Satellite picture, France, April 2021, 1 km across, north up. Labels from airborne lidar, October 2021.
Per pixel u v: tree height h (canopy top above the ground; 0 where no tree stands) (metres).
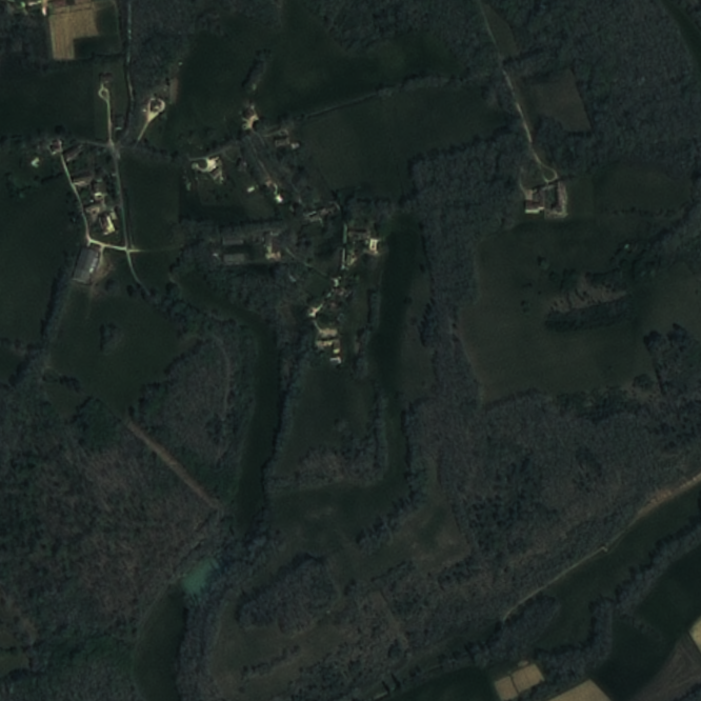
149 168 0
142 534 18
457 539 0
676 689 0
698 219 22
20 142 10
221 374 18
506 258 0
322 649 0
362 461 19
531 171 21
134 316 0
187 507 17
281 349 11
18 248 0
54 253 0
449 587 12
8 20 18
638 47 17
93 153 8
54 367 0
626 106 25
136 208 0
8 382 0
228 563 7
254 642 0
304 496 0
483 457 14
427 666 0
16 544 20
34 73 7
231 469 19
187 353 0
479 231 19
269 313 19
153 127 0
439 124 0
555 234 0
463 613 17
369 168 0
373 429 7
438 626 19
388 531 13
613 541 21
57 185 0
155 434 18
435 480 0
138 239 0
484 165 17
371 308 15
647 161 17
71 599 19
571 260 0
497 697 0
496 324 0
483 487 16
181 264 14
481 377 0
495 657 24
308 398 0
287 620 18
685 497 0
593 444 22
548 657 16
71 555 18
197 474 16
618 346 0
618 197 0
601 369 0
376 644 14
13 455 22
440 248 18
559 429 22
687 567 0
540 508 17
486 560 17
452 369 18
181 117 0
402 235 0
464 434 18
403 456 0
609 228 0
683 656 0
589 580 0
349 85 0
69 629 21
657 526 0
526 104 0
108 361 0
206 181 0
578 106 0
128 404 0
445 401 18
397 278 0
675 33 21
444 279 16
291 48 0
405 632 8
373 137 0
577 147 17
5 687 21
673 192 0
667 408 17
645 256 8
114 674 19
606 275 7
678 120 22
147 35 20
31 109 0
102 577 17
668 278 0
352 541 0
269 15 20
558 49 16
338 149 0
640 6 17
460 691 0
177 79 0
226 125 0
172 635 0
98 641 23
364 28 12
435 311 13
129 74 13
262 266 0
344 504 0
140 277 0
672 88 26
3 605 13
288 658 16
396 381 0
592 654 18
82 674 20
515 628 21
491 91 10
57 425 20
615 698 0
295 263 14
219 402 15
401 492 0
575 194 0
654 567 12
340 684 11
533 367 0
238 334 17
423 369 0
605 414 9
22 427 23
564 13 24
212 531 20
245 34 0
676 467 10
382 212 22
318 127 0
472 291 18
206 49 0
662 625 0
